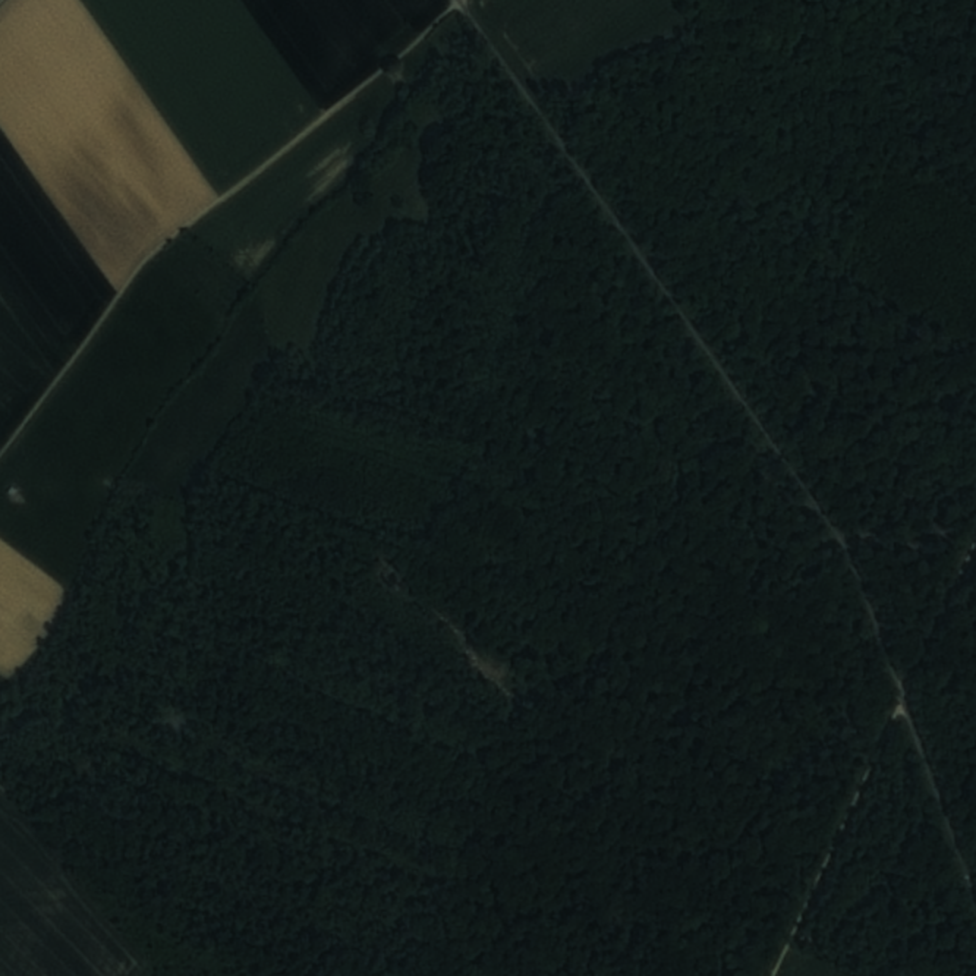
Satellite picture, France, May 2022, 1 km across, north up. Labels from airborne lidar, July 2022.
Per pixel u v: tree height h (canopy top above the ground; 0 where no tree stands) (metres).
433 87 19
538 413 25
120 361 0
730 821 26
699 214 25
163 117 0
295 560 21
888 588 26
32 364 0
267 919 25
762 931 28
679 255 22
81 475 0
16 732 24
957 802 28
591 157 27
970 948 26
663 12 0
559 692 27
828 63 24
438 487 16
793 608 33
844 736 27
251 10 0
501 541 25
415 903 19
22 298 0
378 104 0
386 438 23
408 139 17
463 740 21
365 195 15
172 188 0
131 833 29
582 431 24
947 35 17
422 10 0
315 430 14
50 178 0
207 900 30
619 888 29
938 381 29
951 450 24
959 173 32
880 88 18
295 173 0
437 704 32
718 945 27
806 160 25
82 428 0
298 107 0
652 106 22
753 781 6
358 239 8
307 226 7
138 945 6
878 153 23
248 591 16
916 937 7
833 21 21
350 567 25
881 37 24
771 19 23
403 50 0
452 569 26
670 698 28
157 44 0
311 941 29
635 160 23
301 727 25
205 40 0
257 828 25
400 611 14
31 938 0
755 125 23
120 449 0
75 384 0
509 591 30
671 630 29
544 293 29
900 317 34
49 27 0
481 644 26
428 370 26
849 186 28
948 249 11
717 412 26
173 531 0
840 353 33
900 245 12
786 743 7
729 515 15
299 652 25
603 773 21
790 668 29
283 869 27
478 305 29
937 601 24
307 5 0
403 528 11
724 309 22
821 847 22
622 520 27
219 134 0
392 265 23
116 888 28
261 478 13
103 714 26
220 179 0
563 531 27
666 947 29
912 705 20
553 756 27
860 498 28
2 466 0
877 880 19
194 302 0
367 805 24
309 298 0
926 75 27
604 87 24
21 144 0
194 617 27
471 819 27
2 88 0
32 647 0
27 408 0
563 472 20
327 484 16
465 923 28
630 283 28
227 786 22
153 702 19
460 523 28
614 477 26
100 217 0
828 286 32
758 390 30
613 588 23
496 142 23
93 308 0
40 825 27
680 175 22
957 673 25
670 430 28
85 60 0
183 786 24
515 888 29
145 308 0
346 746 25
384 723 18
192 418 0
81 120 0
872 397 30
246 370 0
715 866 28
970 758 22
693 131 24
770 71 24
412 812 25
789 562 33
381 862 17
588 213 22
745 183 25
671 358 29
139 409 0
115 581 13
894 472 27
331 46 0
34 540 0
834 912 15
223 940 30
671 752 28
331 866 9
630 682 27
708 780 29
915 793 27
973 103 31
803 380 30
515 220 25
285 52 0
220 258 7
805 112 25
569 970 26
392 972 27
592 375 24
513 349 27
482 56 31
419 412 28
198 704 25
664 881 32
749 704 27
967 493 28
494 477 29
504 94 23
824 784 31
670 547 31
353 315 22
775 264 29
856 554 29
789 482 31
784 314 28
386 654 33
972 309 12
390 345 20
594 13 0
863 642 21
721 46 22
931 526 23
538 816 31
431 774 28
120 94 0
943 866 29
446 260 27
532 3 0
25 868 0
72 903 0
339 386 22
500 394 27
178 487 0
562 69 0
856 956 22
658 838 28
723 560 29
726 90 23
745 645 30
